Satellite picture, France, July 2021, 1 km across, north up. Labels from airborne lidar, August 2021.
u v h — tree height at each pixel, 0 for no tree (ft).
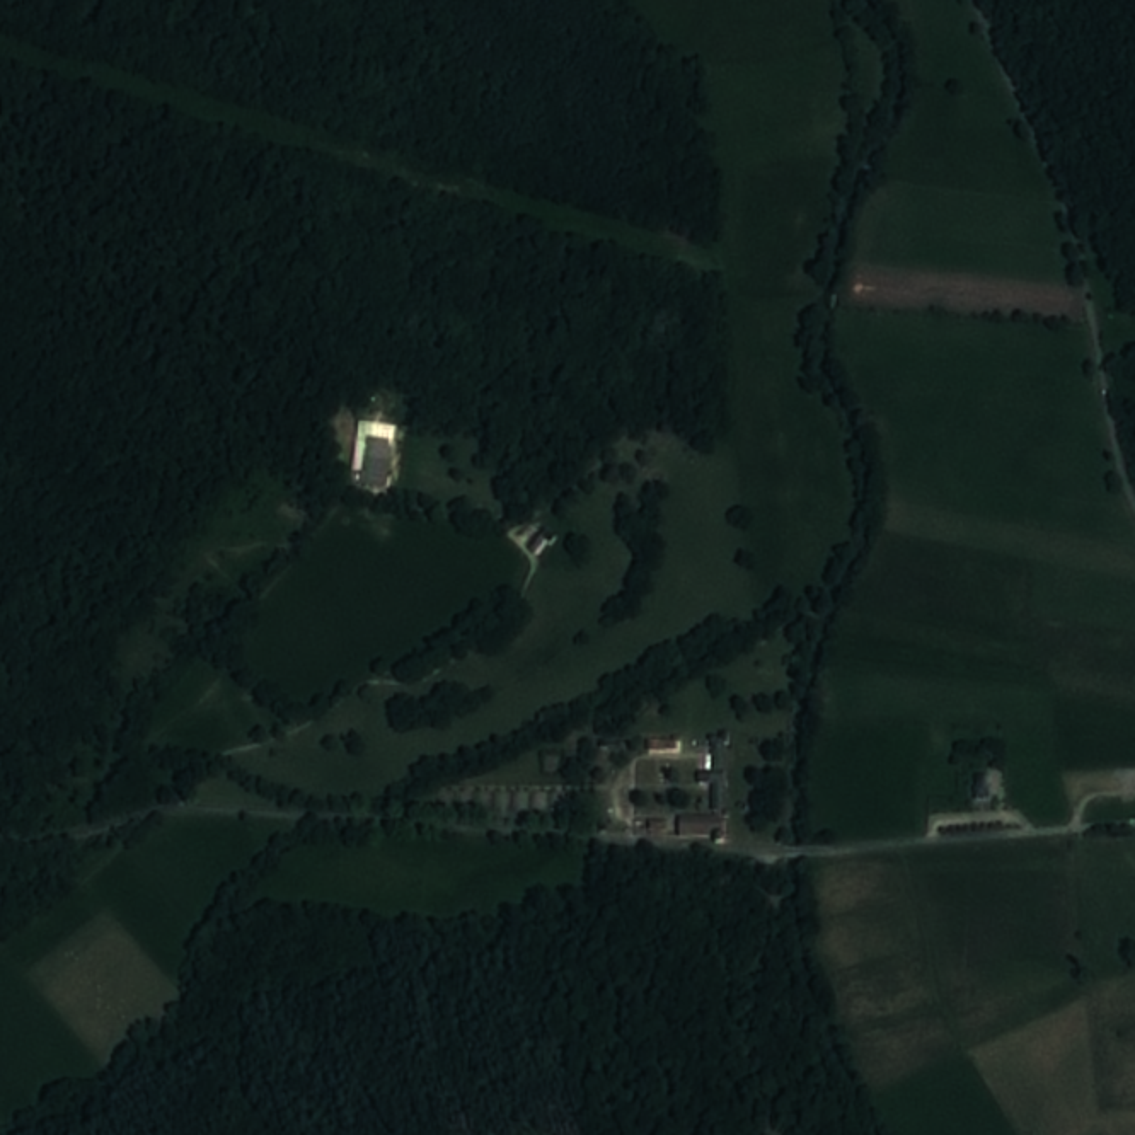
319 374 86
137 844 43
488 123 60
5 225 55
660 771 0
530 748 43
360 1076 88
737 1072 98
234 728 0
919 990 0
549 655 0
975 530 0
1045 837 0
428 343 94
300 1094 99
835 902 0
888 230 0
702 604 0
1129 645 0
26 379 49
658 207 76
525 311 96
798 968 56
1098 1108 0
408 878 0
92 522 84
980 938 0
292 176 80
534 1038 89
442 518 63
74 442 49
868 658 0
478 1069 76
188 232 67
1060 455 0
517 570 0
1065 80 86
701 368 81
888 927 0
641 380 79
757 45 0
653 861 39
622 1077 94
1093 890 0
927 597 0
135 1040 58
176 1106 89
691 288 59
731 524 34
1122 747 0
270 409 52
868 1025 0
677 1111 93
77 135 94
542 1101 96
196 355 102
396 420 0
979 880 0
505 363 83
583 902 83
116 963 0
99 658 45
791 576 0
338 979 65
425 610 0
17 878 75
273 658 0
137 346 91
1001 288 0
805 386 62
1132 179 67
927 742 0
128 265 96
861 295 0
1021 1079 0
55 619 88
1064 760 0
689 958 73
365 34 86
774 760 93
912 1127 0
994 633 0
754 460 0
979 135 0
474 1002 92
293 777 0
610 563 0
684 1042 100
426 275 96
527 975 88
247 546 0
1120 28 75
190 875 0
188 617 45
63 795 81
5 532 56
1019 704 0
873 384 0
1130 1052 0
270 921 62
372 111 80
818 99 0
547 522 0
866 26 74
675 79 79
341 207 88
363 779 0
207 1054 92
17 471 73
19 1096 0
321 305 67
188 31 71
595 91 79
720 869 22
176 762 67
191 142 76
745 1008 92
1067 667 0
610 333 72
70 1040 0
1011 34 60
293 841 40
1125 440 25
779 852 0
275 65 82
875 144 38
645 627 0
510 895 0
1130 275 63
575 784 25
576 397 102
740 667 0
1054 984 0
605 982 96
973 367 0
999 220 0
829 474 0
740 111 0
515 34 66
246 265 65
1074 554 0
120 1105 88
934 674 0
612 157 77
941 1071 0
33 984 0
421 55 69
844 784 0
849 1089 43
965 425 0
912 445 0
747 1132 113
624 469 35
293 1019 88
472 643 77
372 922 85
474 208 71
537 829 71
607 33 65
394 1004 103
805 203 0
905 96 58
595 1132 73
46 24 77
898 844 0
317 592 0
